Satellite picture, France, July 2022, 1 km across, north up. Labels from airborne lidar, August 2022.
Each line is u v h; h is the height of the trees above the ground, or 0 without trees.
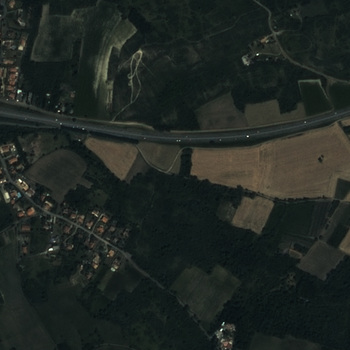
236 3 0
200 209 7
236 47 0
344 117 0
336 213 0
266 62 6
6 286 0
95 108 0
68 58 0
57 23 0
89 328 0
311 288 12
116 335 0
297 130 0
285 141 0
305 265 0
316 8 0
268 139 0
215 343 9
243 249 10
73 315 0
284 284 12
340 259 0
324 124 0
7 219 9
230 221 0
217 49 0
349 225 0
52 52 0
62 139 0
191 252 10
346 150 0
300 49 0
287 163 0
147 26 6
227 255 20
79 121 0
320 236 7
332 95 0
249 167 0
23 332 0
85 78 0
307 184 0
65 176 0
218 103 0
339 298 8
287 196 0
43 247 0
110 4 0
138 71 0
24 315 0
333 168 0
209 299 0
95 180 7
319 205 0
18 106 0
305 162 0
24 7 9
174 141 0
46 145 0
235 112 0
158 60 0
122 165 0
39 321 0
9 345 0
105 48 0
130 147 0
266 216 0
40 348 0
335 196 0
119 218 8
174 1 0
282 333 9
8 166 7
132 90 0
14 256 0
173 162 0
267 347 0
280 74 0
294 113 0
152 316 5
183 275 0
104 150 0
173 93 8
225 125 0
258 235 0
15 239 0
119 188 8
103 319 7
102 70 0
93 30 0
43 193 10
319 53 0
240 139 0
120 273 0
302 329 12
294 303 16
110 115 0
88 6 0
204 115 0
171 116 0
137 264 7
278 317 11
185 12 0
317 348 0
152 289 11
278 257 12
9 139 8
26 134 11
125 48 0
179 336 9
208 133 0
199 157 0
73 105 9
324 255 0
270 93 5
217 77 6
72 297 0
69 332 0
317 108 0
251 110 0
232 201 13
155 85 0
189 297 0
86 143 0
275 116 0
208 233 8
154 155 0
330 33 0
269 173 0
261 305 8
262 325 11
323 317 6
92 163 10
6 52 0
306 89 0
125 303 6
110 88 0
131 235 7
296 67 8
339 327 6
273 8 6
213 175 0
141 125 0
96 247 0
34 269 0
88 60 0
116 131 0
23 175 0
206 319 0
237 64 0
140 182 6
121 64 0
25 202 6
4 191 0
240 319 10
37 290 6
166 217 10
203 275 0
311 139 0
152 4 0
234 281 0
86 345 6
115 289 0
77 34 0
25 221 0
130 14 9
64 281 0
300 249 6
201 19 0
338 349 11
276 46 0
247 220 0
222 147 0
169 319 12
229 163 0
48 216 11
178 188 6
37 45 0
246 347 12
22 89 8
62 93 13
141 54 0
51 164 0
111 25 0
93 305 0
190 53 0
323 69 0
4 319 0
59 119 0
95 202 0
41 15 8
